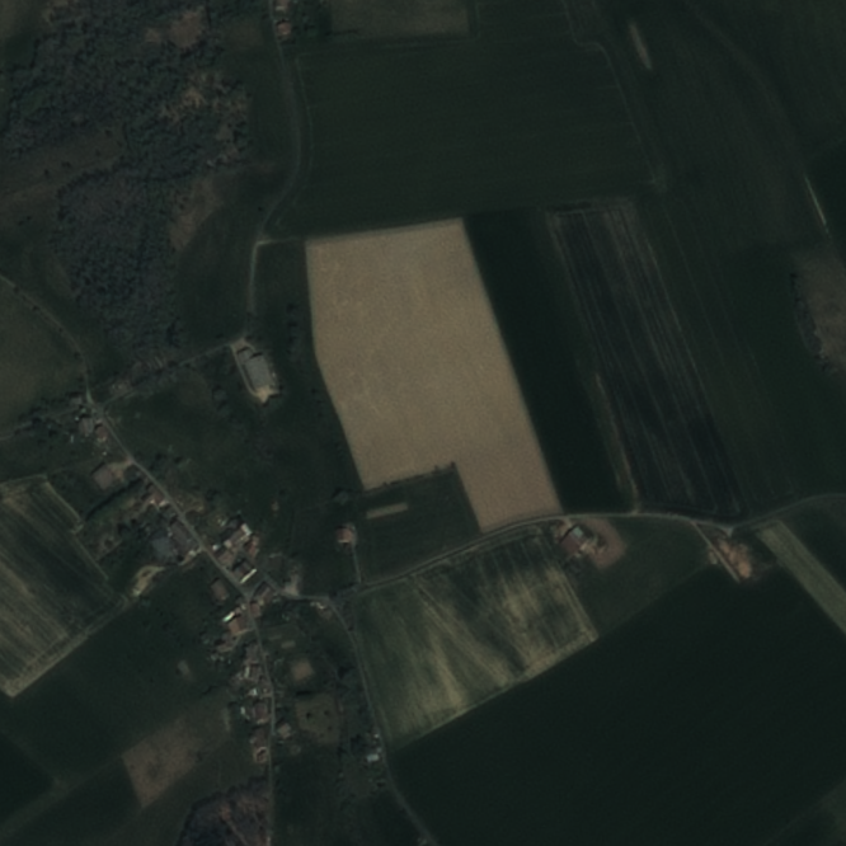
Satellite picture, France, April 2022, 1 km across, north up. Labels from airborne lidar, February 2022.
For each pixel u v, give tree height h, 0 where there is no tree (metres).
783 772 0
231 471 0
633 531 0
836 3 0
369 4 0
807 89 0
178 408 0
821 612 0
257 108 0
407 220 0
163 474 8
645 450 0
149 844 0
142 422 0
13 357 0
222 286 0
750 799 0
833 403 0
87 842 0
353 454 0
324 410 10
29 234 0
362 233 0
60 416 0
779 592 0
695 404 0
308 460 0
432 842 0
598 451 0
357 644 0
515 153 0
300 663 0
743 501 0
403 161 0
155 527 7
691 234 0
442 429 0
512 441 0
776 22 0
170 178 16
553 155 0
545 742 0
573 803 0
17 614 0
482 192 0
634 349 0
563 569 0
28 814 0
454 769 0
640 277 0
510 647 0
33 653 0
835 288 0
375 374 0
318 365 0
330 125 0
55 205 0
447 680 0
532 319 0
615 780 0
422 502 0
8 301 0
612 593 0
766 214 0
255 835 32
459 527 0
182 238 0
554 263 0
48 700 0
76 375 0
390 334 0
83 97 21
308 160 0
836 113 0
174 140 12
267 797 21
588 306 0
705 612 0
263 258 0
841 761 0
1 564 0
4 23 0
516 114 0
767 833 0
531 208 0
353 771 0
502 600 0
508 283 0
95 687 0
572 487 0
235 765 0
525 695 0
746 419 0
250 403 0
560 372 0
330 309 0
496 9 0
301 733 0
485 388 0
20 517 0
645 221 0
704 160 0
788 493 0
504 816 0
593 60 0
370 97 0
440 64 0
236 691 6
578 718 0
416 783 0
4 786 0
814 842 0
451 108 0
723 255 0
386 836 0
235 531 0
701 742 0
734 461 0
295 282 0
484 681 0
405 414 0
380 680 0
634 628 0
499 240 0
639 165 0
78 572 0
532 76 0
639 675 0
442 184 0
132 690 0
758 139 0
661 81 0
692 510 0
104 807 0
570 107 0
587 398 0
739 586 0
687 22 0
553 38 0
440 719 0
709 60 0
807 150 0
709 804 0
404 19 0
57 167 0
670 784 0
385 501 0
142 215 22
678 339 0
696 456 0
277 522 0
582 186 0
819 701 0
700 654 0
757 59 0
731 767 0
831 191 0
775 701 0
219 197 0
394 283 0
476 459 0
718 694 0
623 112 0
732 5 0
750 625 0
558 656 0
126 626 0
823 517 0
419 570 0
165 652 0
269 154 0
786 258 0
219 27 17
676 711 0
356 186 0
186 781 0
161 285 21
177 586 0
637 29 0
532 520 0
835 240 0
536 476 0
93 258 18
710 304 0
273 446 0
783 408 0
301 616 13
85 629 0
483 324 0
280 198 0
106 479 0
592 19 0
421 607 0
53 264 0
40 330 0
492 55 0
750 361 0
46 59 15
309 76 0
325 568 0
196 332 0
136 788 0
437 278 0
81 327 0
